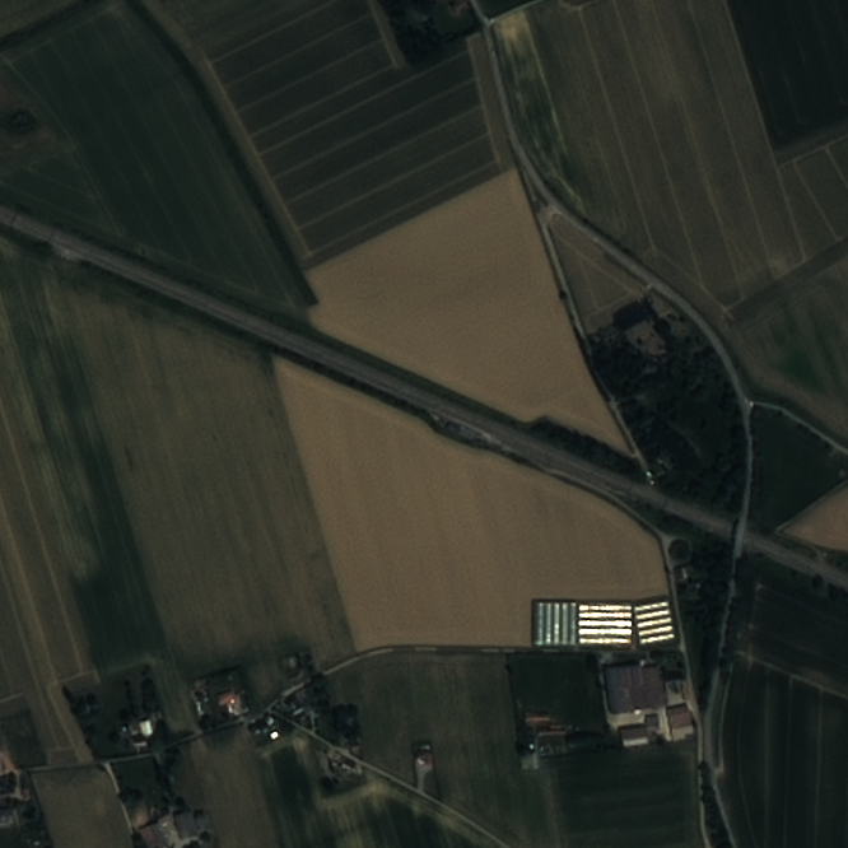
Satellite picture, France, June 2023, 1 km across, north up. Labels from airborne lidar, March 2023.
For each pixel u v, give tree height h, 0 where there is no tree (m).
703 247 0
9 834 0
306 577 0
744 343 0
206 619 0
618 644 0
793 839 0
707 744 0
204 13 0
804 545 0
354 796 0
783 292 0
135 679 0
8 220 0
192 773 0
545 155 0
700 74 0
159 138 0
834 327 0
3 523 0
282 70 0
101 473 0
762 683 0
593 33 0
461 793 0
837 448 0
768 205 0
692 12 0
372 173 0
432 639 0
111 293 0
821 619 0
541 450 0
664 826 0
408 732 0
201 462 0
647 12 0
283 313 0
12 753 0
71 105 0
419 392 0
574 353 0
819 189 0
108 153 0
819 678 0
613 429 0
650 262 0
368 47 0
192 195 0
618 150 0
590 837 0
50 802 0
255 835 0
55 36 0
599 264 0
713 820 8
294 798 0
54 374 0
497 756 0
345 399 0
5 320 0
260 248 0
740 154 0
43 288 0
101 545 0
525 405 0
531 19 0
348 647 0
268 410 0
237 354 0
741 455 11
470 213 0
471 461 0
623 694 0
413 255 0
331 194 0
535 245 0
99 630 0
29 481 0
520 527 0
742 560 14
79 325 0
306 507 0
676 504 0
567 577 0
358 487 0
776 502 0
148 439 0
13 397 0
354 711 11
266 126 0
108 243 0
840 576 0
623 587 0
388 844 0
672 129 0
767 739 0
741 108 0
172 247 0
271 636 0
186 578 0
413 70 0
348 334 0
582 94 0
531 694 0
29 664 0
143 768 0
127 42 0
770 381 0
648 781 0
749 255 0
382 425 0
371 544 0
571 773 0
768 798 0
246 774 0
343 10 0
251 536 0
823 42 0
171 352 0
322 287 0
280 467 0
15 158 0
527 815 0
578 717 0
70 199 0
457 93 0
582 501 0
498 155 0
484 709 0
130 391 0
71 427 0
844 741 0
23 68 0
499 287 0
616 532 0
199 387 0
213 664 0
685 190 0
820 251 0
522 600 0
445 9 0
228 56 0
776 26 0
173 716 0
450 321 0
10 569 0
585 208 0
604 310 0
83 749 0
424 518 0
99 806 0
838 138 0
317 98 0
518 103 0
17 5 0
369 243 0
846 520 0
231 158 0
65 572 0
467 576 0
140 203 0
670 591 0
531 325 0
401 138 0
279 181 0
